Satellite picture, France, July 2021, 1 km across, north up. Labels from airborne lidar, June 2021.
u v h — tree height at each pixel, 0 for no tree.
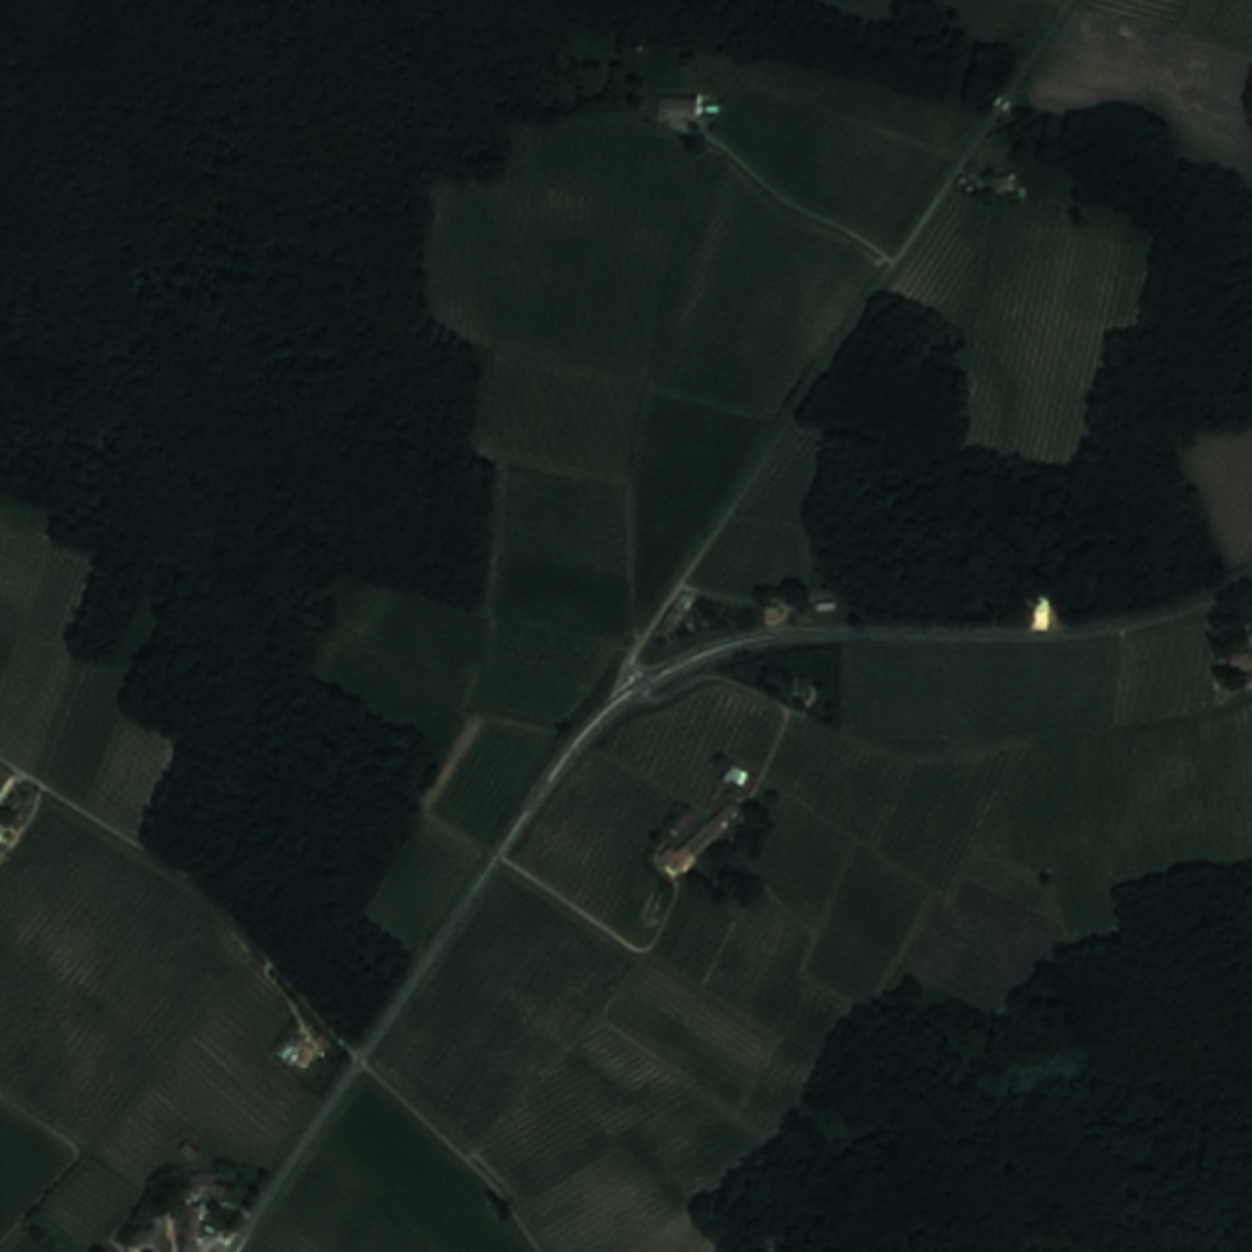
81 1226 0
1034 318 0
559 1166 0
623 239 0
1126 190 19
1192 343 25
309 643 19
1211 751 0
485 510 21
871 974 0
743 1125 0
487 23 19
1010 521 15
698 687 0
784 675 12
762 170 0
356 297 21
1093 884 0
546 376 0
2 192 20
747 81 0
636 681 0
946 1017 13
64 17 24
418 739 13
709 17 20
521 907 0
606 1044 0
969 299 0
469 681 0
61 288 26
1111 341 14
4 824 9
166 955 0
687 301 0
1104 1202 23
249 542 23
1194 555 22
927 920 0
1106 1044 20
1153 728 0
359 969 14
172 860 15
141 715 17
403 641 0
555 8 19
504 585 0
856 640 0
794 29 25
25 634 0
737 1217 26
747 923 0
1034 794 0
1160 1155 12
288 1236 0
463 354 20
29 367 11
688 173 0
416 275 21
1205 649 0
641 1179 0
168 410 22
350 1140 0
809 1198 25
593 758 0
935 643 0
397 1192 0
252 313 18
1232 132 0
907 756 0
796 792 0
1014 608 11
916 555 23
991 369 0
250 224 16
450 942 0
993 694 0
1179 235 17
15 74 26
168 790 18
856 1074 15
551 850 0
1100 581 8
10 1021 0
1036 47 0
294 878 22
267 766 15
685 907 0
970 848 0
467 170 19
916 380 9
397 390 26
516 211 0
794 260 0
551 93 9
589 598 0
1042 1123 24
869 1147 14
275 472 23
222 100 21
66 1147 0
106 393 25
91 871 0
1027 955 0
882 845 0
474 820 0
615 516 0
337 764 15
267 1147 0
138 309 21
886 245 0
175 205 21
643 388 0
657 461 0
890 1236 21
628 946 0
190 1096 0
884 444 9
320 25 23
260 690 14
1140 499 25
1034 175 0
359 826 25
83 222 24
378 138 24
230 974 0
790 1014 0
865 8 0
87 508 20
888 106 0
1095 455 23
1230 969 28
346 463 28
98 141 22
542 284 0
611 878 0
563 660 0
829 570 11
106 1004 0
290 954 13
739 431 0
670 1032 0
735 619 6
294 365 18
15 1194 0
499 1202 25
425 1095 0
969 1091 25
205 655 18
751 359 0
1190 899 23
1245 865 9
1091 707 0
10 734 0
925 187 0
